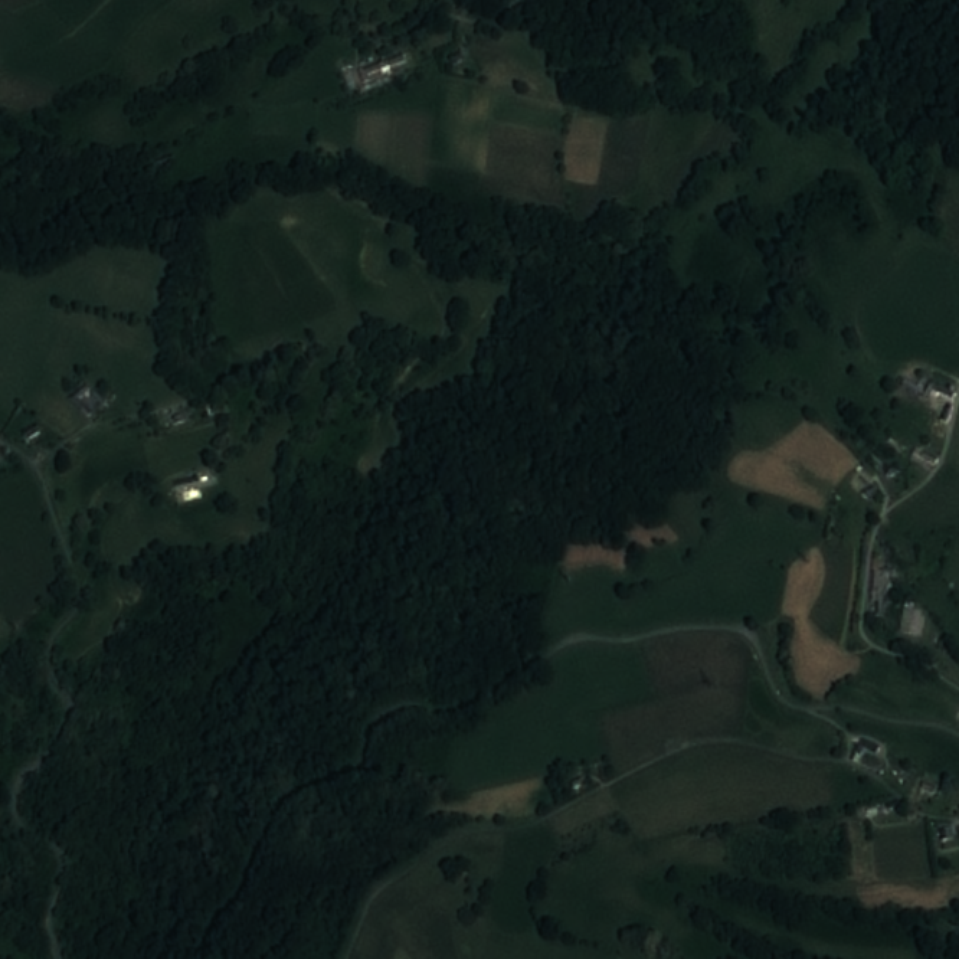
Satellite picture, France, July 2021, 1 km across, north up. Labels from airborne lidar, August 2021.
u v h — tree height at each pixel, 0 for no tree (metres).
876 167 12
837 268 0
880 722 0
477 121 0
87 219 23
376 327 21
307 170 29
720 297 19
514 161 0
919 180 17
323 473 16
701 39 36
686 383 25
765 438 0
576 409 26
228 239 0
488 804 0
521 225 18
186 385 28
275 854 20
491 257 28
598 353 24
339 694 29
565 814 0
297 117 0
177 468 0
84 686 21
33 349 0
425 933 0
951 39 21
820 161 0
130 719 10
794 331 11
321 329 0
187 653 20
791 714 0
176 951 23
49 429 0
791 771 0
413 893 0
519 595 7
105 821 17
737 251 0
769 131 0
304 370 22
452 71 10
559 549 18
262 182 21
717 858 0
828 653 0
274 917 18
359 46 13
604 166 0
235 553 26
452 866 18
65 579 17
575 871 0
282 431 0
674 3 30
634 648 0
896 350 0
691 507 0
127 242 19
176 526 0
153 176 20
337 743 28
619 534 17
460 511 31
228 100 0
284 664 22
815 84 0
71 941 18
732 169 17
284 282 0
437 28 27
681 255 0
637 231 25
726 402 27
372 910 0
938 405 0
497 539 24
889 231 0
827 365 0
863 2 24
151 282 0
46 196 26
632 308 24
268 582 13
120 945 30
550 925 22
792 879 10
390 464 22
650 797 0
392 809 22
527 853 0
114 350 0
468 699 25
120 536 0
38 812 17
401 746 10
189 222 26
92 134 0
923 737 0
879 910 10
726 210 17
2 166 10
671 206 19
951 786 21
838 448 0
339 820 21
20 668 18
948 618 0
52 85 0
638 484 28
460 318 23
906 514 0
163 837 29
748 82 26
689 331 34
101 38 0
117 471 0
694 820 0
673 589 0
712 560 0
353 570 22
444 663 27
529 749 0
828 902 11
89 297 0
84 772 24
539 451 22
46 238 26
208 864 29
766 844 6
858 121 24
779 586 0
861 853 0
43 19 0
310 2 0
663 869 0
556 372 23
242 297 0
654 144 0
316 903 15
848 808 12
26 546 0
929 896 0
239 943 20
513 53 0
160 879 30
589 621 0
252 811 29
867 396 0
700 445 24
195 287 23
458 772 0
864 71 12
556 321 35
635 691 0
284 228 0
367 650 32
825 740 0
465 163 0
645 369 25
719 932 18
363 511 26
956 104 19
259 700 24
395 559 19
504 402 19
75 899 22
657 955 17
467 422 14
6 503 0
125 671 23
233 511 28
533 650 20
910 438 0
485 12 29
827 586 0
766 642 0
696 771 0
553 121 0
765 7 0
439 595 24
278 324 0
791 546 0
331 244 0
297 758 25
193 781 29
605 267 25
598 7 24
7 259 25
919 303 0
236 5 0
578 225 16
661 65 17
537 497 23
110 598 0
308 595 16
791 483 0
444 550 22
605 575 0
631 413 27
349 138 0
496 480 26
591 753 0
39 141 17
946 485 0
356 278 0
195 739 20
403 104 0
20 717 12
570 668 0
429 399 19
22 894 8
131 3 0
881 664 0
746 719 0
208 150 0
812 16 0
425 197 21
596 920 0
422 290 0
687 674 0
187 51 7
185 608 22
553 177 0
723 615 0
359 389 12
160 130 0
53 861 12
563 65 27
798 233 25
